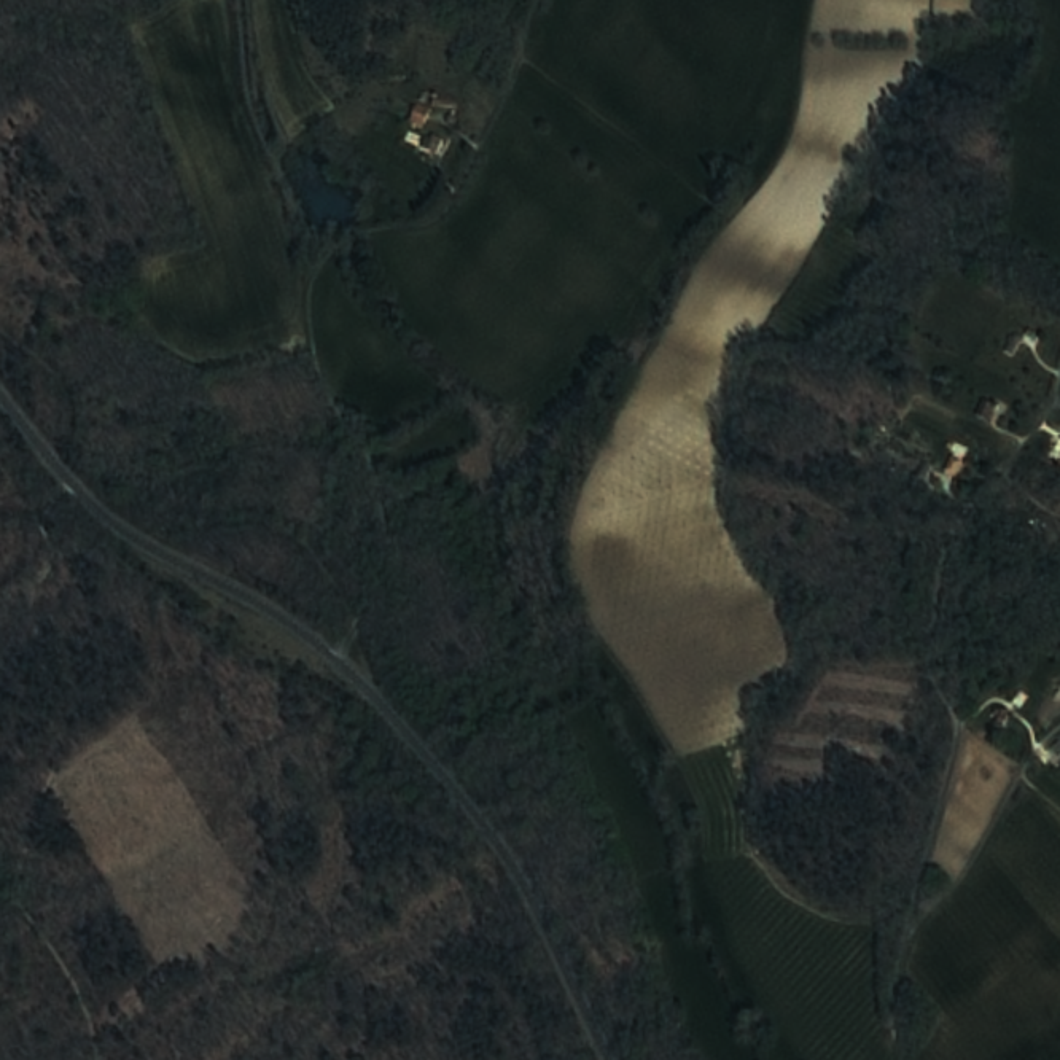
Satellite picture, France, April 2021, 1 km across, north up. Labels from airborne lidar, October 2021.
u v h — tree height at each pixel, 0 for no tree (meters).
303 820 22
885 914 10
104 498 19
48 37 17
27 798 13
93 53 23
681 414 0
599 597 0
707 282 0
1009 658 27
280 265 0
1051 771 7
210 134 0
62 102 20
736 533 22
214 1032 20
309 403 21
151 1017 23
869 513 19
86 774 0
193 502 19
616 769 0
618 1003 19
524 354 0
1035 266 13
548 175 0
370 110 8
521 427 0
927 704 15
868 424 13
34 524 16
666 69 0
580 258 0
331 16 22
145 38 0
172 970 0
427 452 0
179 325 0
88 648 24
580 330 0
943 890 20
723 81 0
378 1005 20
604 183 0
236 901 17
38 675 27
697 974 0
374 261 16
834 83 0
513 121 0
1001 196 13
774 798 18
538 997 24
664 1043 15
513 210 0
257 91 31
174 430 24
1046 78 0
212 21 0
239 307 0
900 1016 23
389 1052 20
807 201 0
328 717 18
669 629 0
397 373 0
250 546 16
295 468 21
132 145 21
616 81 0
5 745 16
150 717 0
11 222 12
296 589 10
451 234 0
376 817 23
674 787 0
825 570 17
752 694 15
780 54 0
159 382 21
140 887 0
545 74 0
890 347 9
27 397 13
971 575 20
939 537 11
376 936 19
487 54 16
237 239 0
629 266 0
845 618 18
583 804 22
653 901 0
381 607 17
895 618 13
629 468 0
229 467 18
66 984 6
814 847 24
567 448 41
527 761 19
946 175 23
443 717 14
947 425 0
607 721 19
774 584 23
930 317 0
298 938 17
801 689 15
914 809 21
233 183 0
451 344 0
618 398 38
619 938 23
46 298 14
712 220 18
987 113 16
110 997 10
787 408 23
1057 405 0
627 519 0
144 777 0
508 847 18
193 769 0
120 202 17
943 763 19
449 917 18
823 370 20
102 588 25
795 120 0
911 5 0
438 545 22
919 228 17
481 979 29
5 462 11
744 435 20
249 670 18
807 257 0
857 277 13
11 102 15
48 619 16
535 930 19
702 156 0
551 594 40
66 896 13
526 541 44
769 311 0
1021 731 21
